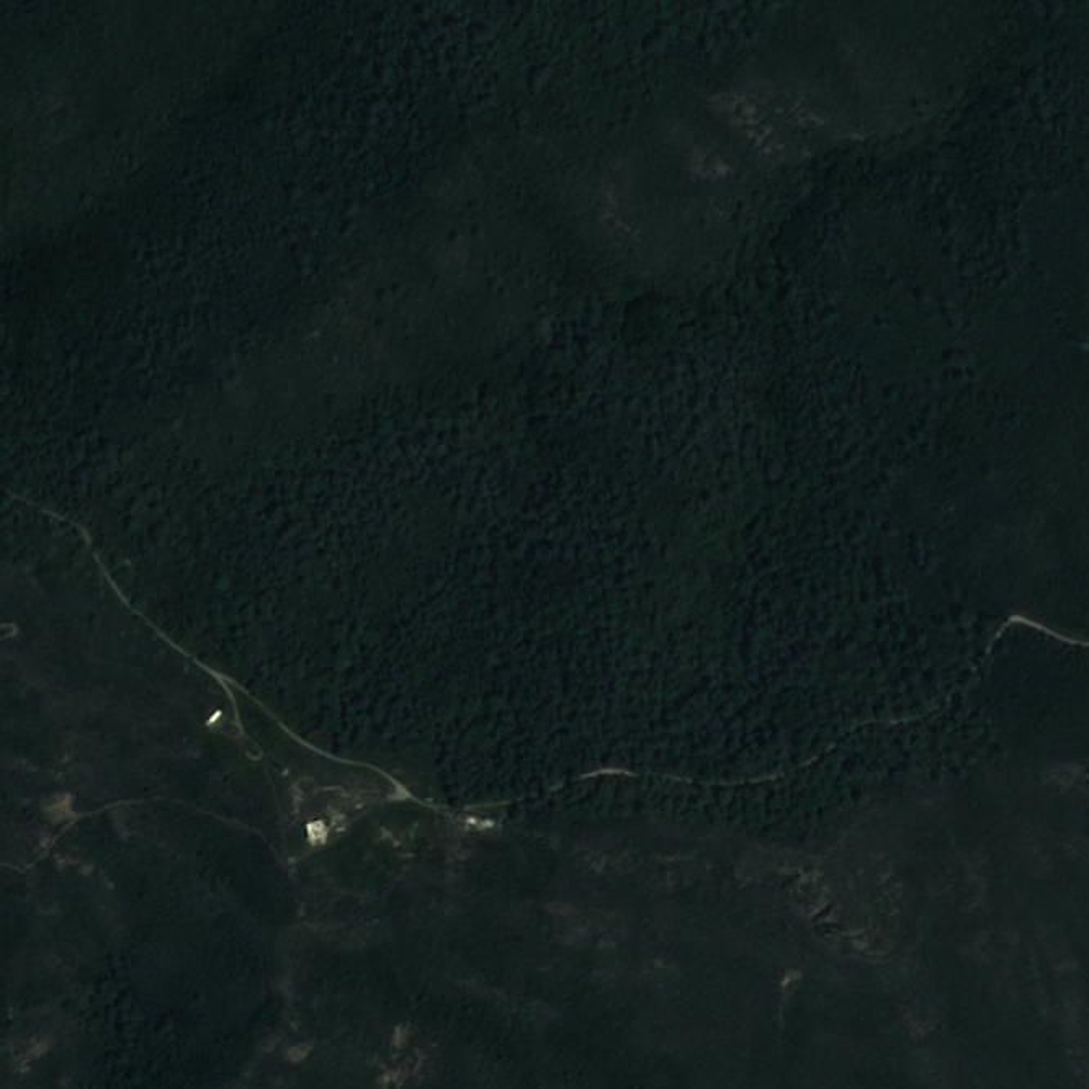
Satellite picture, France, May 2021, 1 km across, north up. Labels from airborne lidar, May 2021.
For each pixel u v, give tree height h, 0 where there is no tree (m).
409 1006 7
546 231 11
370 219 6
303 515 12
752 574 15
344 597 13
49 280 27
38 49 6
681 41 13
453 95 17
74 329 20
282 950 0
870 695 12
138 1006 10
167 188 22
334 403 25
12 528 7
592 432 11
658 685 22
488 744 16
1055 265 7
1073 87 9
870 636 9
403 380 8
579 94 11
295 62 15
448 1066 9
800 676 26
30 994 6
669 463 22
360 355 8
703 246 5
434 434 18
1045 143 13
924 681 7
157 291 12
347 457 19
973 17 7
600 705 22
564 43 12
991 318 6
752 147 7
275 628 14
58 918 5
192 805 6
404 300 7
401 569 10
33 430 17
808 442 15
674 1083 7
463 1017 6
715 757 16
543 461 21
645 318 21
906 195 17
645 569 6
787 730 9
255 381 6
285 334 6
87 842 6
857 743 14
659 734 18
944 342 7
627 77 14
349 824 0
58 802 0
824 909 6
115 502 11
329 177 12
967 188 21
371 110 26
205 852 7
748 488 15
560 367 22
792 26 6
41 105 6
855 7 6
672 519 10
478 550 18
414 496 10
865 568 16
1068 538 6
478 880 6
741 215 20
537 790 8
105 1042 10
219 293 11
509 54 17
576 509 14
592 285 18
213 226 17
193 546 9
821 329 8
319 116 15
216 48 11
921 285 7
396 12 8
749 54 6
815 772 10
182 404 9
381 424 21
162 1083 11
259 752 0
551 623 13
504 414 16
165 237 11
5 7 15
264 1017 8
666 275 7
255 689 15
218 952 6
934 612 6
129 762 7
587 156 8
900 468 18
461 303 7
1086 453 6
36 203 6
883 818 0
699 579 18
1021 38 21
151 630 7
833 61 5
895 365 10
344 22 14
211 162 17
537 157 7
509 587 10
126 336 23
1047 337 7
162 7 6
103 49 7
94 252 27
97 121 7
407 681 17
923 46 9
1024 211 8
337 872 0
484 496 18
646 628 8
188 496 16
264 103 17
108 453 27
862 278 6
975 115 23
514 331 7
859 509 8
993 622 24
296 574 7
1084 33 8
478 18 9
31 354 19
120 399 10
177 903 7
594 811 10
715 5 24
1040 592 8
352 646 16
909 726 13
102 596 7
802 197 22
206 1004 6
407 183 16
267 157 11
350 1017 6
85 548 11
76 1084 6
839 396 10
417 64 20
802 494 17
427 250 9
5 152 9
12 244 15
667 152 6
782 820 12
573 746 10
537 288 6
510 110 12
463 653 13
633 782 6
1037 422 7
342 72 17
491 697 19
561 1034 6
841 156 19
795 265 18
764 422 22
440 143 15
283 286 10
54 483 15
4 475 12
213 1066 8
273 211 9
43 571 12
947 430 14
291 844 0
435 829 0
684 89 5
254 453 11
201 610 8
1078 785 0
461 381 16
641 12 17
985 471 7
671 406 17
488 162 7
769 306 19
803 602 11
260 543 19
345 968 5
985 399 14
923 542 20
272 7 22
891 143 16
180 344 22
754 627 29
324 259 10
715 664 15
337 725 13
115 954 6
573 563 19
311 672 6
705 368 24
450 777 17
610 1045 6
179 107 17
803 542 17
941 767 10
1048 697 8
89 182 7
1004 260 13
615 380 17
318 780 0
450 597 21
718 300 23
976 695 7
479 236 22
